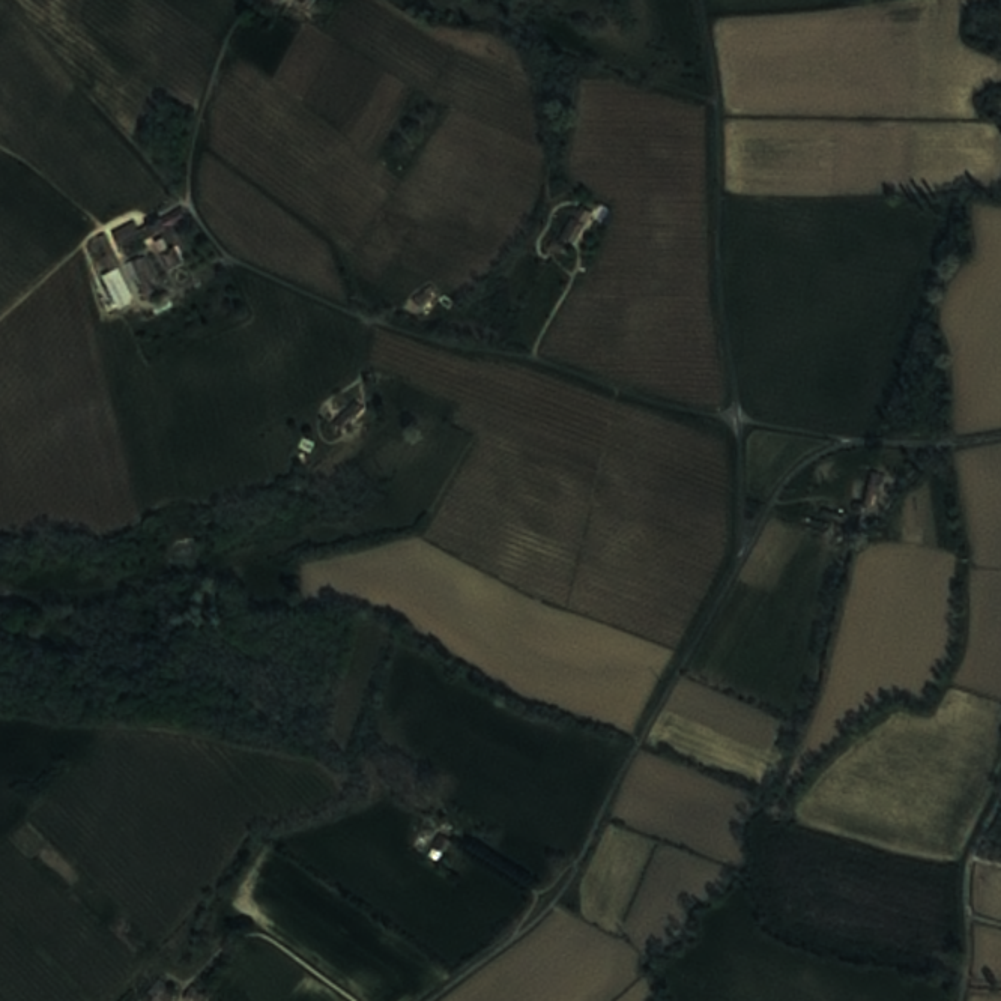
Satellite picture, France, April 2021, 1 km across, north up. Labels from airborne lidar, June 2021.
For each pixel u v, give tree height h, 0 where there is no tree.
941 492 0
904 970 11
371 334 0
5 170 0
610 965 0
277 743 17
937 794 0
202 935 10
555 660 0
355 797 16
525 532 0
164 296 6
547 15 8
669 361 0
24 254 0
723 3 0
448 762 0
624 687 0
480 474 0
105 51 0
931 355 17
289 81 0
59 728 16
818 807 0
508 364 0
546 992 0
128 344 0
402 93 0
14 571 25
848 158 0
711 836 0
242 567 0
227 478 0
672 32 0
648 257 0
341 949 0
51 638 0
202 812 0
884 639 0
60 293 0
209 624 28
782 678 0
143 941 0
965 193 19
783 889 6
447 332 20
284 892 0
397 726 0
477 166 0
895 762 0
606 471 0
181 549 0
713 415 0
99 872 0
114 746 0
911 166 0
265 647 18
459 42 0
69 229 0
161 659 19
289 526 7
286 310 0
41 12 0
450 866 12
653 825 0
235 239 0
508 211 0
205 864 0
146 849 0
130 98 0
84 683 21
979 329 0
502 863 17
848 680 0
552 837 0
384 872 0
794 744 19
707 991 0
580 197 8
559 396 0
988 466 0
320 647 18
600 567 0
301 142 0
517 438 0
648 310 0
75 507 0
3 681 23
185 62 0
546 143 16
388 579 0
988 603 0
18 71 0
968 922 0
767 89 0
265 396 0
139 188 0
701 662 0
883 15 0
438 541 0
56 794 0
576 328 0
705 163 0
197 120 19
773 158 0
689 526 0
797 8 0
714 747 0
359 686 0
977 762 0
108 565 21
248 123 0
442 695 0
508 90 0
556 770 0
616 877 0
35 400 0
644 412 0
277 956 0
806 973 0
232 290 8
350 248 0
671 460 0
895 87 0
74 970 0
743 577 0
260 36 0
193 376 0
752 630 0
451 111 0
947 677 17
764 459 0
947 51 0
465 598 0
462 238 0
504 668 0
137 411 0
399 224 0
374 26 0
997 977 0
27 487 0
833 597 16
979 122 0
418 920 0
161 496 0
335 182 0
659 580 0
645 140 0
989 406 0
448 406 0
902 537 0
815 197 0
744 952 0
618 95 0
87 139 0
